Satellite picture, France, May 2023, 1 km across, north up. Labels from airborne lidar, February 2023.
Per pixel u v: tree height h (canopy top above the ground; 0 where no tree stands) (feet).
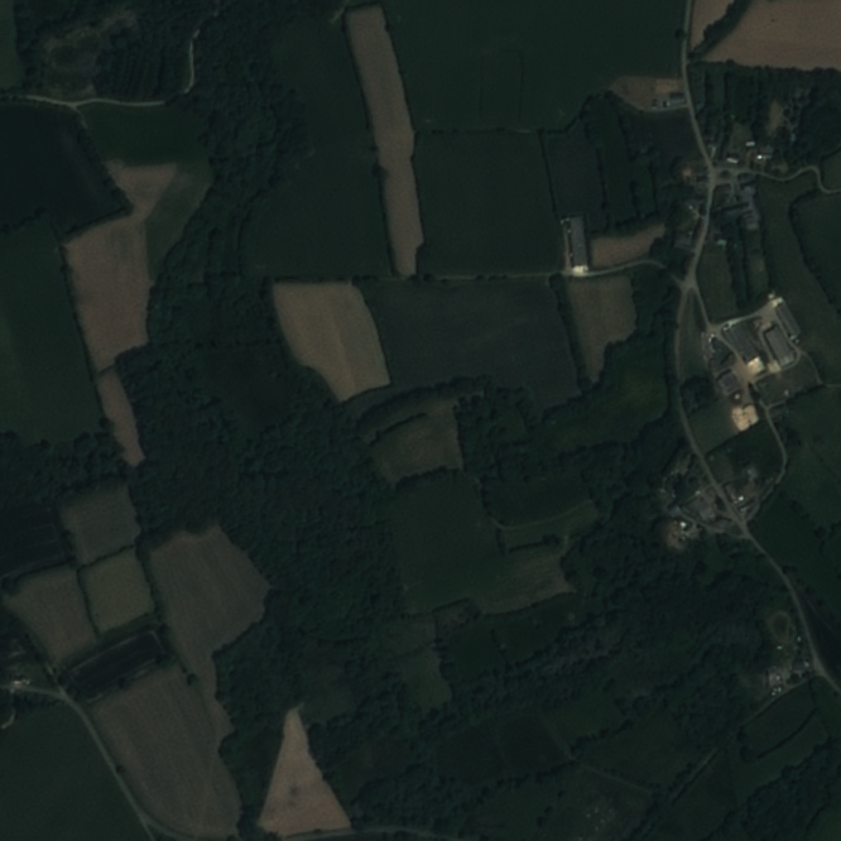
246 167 58
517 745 0
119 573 0
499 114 0
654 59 0
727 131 25
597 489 39
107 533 0
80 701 44
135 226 0
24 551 0
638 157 44
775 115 0
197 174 0
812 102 58
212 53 61
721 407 0
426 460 0
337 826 0
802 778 57
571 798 0
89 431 0
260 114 34
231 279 38
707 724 49
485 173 0
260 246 0
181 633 0
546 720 0
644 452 61
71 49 0
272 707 17
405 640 0
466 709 57
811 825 24
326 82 0
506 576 0
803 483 0
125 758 0
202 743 0
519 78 0
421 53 0
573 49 0
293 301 0
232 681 35
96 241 0
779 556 0
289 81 0
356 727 57
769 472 0
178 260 23
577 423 0
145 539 60
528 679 63
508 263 0
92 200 0
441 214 0
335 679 0
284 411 0
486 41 0
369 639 35
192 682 38
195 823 0
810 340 0
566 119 0
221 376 0
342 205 0
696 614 58
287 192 0
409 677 0
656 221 30
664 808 46
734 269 29
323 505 78
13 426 0
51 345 0
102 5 50
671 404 29
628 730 39
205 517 74
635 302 26
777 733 0
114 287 0
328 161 0
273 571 63
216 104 33
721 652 50
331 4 50
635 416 0
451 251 0
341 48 0
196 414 75
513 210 0
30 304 0
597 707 0
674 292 20
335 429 32
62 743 0
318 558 57
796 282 0
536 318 0
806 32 0
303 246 0
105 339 0
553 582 0
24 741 0
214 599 0
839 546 0
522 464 57
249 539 73
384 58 0
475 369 0
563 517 0
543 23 0
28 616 0
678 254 31
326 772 55
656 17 0
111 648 0
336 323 0
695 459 27
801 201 25
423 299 0
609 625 79
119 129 0
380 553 19
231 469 59
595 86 0
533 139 0
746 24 0
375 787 40
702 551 31
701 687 18
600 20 0
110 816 0
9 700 34
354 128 0
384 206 23
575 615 0
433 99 0
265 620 38
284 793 0
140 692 0
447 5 0
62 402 0
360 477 28
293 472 72
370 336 0
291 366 25
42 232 0
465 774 0
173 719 0
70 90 0
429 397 50
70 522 0
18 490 65
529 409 52
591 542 35
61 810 0
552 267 0
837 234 0
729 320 0
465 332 0
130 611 0
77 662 0
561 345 0
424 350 0
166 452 76
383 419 45
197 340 0
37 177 0
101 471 57
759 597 34
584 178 0
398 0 0
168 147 0
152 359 62
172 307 25
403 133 0
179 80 40
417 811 49
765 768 0
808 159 44
